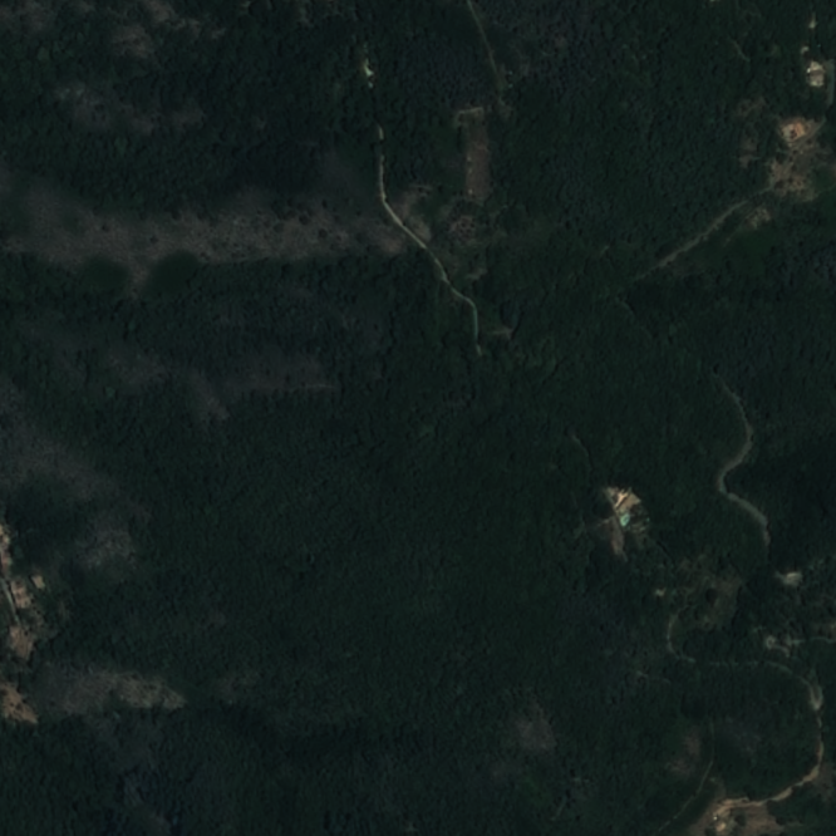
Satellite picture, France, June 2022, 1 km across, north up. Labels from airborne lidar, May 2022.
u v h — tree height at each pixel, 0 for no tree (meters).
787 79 9
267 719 11
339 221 8
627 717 11
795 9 10
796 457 17
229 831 22
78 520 10
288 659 12
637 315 9
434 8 7
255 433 12
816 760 11
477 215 10
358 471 15
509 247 10
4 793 12
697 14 13
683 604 17
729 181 20
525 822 8
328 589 15
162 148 11
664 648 9
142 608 8
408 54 6
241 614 12
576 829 8
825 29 15
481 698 16
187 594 10
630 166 17
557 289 12
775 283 20
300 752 10
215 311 13
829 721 9
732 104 8
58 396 7
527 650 12
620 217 13
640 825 13
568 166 25
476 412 18
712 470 13
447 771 9
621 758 16
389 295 15
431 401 14
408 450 9
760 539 12
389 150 9
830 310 16
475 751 12
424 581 11
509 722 7
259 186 8
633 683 13
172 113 9
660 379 12
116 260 0
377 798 8
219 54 12
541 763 10
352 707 8
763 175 11
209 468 15
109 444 13
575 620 17
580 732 13
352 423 13
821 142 7
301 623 8
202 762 8
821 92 9
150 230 0
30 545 14
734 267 16
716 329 13
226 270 11
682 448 16
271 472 13
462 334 12
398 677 13
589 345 14
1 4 10
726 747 0
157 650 8
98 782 13
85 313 8
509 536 17
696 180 19
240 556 10
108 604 9
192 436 11
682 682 8
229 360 6
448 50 13
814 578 19
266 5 20
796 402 17
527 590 15
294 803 13
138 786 21
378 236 0
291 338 13
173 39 12
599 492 13
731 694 8
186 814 32
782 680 8
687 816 0
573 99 17
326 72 13
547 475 16
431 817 11
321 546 17
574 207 23
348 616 9
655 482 12
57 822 11
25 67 16
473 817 11
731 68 8
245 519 17
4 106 15
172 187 10
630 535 10
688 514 10
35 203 0
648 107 11
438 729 16
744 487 15
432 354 15
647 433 16
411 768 11
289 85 19
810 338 15
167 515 11
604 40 6
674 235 16
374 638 13
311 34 21
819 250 15
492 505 15
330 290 11
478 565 16
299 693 10
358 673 11
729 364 16
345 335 11
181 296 13
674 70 16
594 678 15
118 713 6
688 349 12
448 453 12
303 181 10
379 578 9
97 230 0
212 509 13
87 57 7
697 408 14
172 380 8
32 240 0
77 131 15
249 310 12
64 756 12
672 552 13
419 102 8
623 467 17
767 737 6
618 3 7
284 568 9
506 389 19
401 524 12
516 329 9
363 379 11
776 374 19
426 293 11
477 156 0
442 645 12
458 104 12
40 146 10
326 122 12
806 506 14
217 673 13
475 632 11
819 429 13
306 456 12
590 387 14
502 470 17
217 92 13
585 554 7
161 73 13
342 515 19
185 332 13
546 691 10
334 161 0
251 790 14
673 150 21
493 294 12
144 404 10
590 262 11
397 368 12
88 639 10
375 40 9
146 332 13
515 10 10
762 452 11
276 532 13
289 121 16
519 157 14
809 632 12
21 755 14
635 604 10
